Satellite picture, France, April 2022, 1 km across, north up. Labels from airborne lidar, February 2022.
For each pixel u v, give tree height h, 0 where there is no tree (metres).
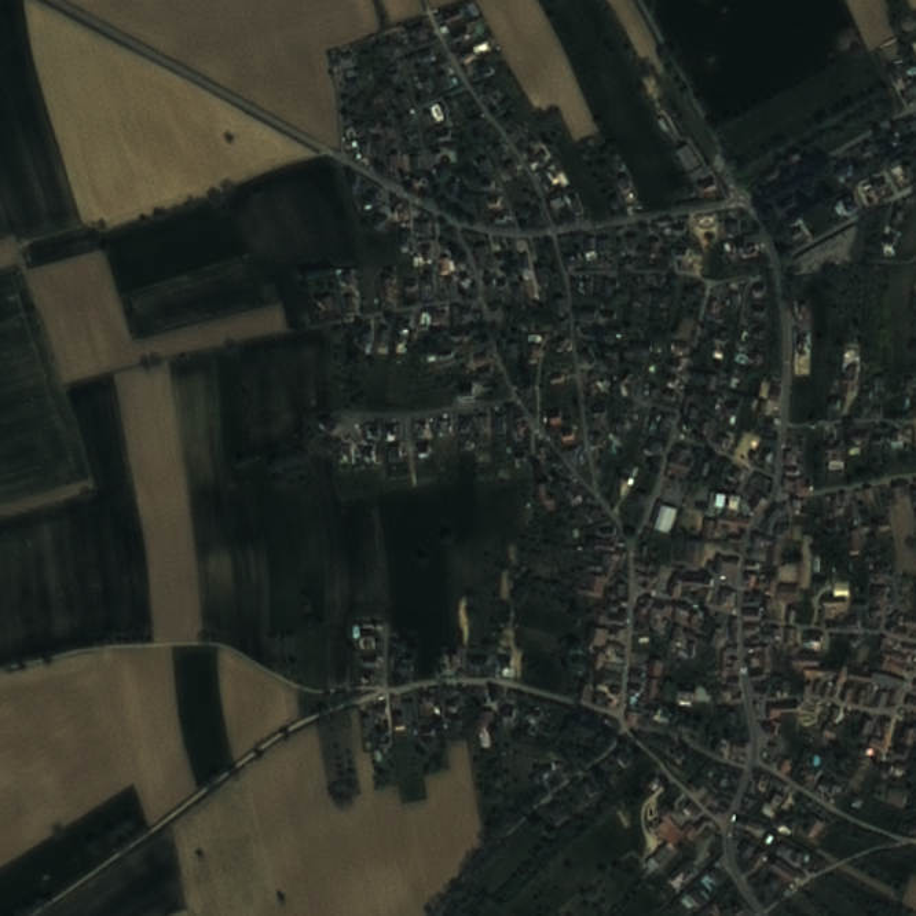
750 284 0
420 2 0
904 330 0
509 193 0
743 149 0
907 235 0
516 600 13
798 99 0
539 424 0
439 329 14
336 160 0
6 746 0
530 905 0
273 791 0
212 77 0
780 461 0
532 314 8
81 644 0
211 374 0
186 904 0
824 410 0
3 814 0
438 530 0
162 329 0
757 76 0
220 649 0
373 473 0
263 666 0
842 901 0
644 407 0
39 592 0
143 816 0
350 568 0
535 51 0
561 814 0
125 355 0
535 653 0
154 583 0
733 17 0
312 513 0
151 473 0
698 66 0
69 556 0
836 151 0
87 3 0
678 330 9
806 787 0
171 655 0
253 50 0
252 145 0
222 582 0
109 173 0
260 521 0
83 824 0
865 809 0
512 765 0
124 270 0
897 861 0
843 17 0
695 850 0
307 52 0
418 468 0
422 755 16
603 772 16
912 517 0
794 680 0
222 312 0
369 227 6
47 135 0
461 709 7
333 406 0
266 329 0
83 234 0
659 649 7
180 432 0
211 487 0
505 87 0
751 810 6
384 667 0
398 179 10
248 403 0
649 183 0
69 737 0
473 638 0
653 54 0
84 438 0
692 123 0
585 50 0
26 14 0
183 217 0
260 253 0
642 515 0
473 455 0
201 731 0
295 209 0
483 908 12
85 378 0
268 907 0
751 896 0
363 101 8
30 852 0
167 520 0
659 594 0
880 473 12
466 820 0
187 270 0
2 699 0
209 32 0
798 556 10
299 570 0
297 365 0
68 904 0
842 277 14
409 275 0
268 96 0
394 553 0
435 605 0
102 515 0
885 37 0
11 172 0
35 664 0
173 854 0
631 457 0
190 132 0
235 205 0
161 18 0
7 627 0
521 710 7
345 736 0
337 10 0
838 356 0
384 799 0
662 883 0
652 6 0
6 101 0
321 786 0
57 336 0
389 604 0
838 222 6
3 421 0
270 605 0
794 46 0
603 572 0
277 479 11
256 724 0
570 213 13
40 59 0
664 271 8
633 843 0
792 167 16
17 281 0
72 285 0
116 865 0
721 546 0
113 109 0
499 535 0
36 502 0
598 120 7
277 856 0
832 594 0
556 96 0
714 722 11
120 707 0
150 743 0
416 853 0
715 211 0
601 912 7
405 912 0
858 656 0
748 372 10
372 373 0
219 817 0
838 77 0
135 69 0
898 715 0
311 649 0
